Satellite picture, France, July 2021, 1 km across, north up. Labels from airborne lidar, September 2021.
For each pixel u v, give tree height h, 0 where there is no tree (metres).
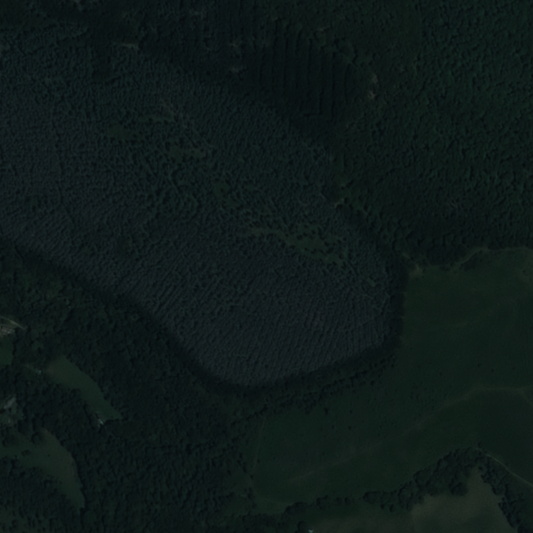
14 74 26
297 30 21
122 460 21
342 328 18
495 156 28
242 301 25
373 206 23
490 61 21
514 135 23
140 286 25
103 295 29
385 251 27
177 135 23
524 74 20
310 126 30
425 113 28
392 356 15
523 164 30
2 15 10
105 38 19
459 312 0
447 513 0
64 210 18
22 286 27
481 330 0
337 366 25
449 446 0
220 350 24
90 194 20
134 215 24
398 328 26
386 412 0
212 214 20
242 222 19
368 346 24
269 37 12
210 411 21
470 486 0
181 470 23
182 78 26
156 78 25
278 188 23
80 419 19
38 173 21
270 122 27
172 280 23
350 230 23
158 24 28
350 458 0
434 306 0
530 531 24
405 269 27
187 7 23
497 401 0
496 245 9
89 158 21
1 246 29
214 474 16
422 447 0
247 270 17
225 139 28
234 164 20
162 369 24
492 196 20
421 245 20
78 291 23
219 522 9
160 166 20
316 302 22
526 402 0
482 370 0
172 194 26
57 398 25
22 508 9
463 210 20
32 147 22
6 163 16
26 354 12
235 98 27
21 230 22
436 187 23
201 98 22
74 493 0
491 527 0
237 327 25
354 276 24
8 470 27
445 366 0
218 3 26
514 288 0
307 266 24
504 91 16
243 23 31
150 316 26
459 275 0
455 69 22
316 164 26
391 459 0
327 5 26
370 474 0
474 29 19
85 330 24
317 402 18
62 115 23
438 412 0
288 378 21
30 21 7
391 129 29
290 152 27
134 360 11
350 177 27
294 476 0
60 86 23
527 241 14
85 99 23
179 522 17
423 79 25
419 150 28
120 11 32
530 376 0
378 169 22
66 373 0
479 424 0
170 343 28
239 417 20
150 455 22
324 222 21
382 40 18
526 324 0
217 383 24
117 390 20
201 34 25
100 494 19
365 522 0
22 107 24
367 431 0
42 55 23
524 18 24
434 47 21
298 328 23
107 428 24
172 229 18
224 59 28
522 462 0
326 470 0
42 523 17
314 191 26
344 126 22
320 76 11
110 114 23
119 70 23
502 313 0
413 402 0
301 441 0
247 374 24
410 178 20
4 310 24
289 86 17
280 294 23
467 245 22
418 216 24
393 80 20
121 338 18
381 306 19
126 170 23
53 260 17
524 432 0
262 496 0
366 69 18
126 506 17
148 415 19
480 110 24
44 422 27
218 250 18
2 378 29
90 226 20
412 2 23
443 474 23
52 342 28
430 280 0
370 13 24
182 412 21
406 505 9
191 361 24
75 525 17
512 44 21
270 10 19
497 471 19
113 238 19
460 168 25
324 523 0
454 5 18
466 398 0
